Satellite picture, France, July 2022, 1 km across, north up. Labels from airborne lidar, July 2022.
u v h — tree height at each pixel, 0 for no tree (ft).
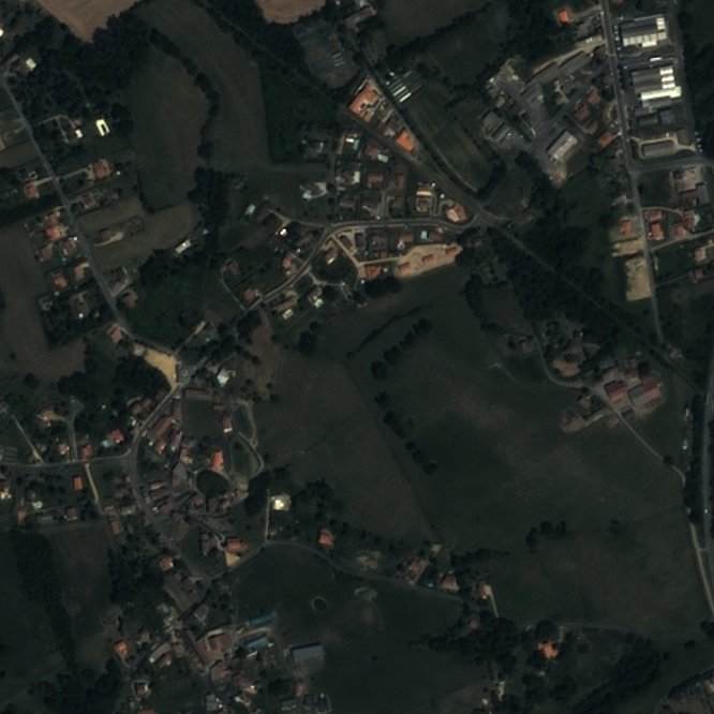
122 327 0
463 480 0
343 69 0
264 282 0
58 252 0
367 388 0
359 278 0
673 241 0
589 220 0
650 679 28
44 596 27
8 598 0
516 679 0
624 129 0
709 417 0
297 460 0
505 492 0
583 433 0
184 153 0
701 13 0
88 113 60
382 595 0
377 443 0
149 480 0
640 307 0
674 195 0
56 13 0
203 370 24
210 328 0
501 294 0
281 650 0
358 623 0
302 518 0
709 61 48
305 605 0
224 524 0
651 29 0
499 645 47
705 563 0
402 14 0
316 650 0
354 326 0
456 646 69
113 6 0
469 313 0
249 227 0
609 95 21
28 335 0
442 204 0
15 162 0
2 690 0
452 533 0
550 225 66
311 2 0
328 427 0
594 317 69
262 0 0
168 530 0
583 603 0
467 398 0
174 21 0
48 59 73
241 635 0
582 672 0
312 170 0
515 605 0
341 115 0
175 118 0
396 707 0
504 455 0
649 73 0
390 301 0
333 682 0
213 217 36
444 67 0
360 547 0
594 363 27
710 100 18
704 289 0
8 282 0
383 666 0
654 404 0
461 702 0
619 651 0
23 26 0
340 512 0
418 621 0
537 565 0
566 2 0
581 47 0
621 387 0
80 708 75
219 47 0
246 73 0
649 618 0
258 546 0
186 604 0
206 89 61
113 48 97
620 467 0
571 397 0
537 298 61
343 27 48
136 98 0
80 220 0
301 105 0
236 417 0
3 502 0
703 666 0
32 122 61
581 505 0
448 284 0
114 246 0
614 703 46
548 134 0
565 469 0
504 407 0
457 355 0
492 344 0
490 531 0
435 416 0
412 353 0
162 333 0
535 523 0
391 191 0
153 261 60
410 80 0
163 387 25
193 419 0
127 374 75
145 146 0
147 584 67
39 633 0
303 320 0
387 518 0
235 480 0
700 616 0
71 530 0
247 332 44
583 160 0
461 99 35
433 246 0
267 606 0
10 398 21
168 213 0
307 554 0
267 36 58
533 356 0
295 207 0
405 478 0
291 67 45
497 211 0
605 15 0
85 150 38
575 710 28
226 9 75
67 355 0
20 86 18
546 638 31
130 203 0
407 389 0
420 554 24
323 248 0
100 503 0
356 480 0
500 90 0
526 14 40
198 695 0
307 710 0
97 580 0
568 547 0
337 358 0
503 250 55
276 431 0
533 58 45
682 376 0
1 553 0
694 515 25
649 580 0
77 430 47
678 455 0
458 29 36
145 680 0
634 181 0
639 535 0
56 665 0
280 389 0
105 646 0
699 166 0
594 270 23
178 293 0
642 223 0
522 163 55
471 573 47
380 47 0
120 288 0
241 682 0
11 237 0
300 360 0
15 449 0
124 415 43
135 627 0
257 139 0
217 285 0
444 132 0
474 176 0
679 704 0
